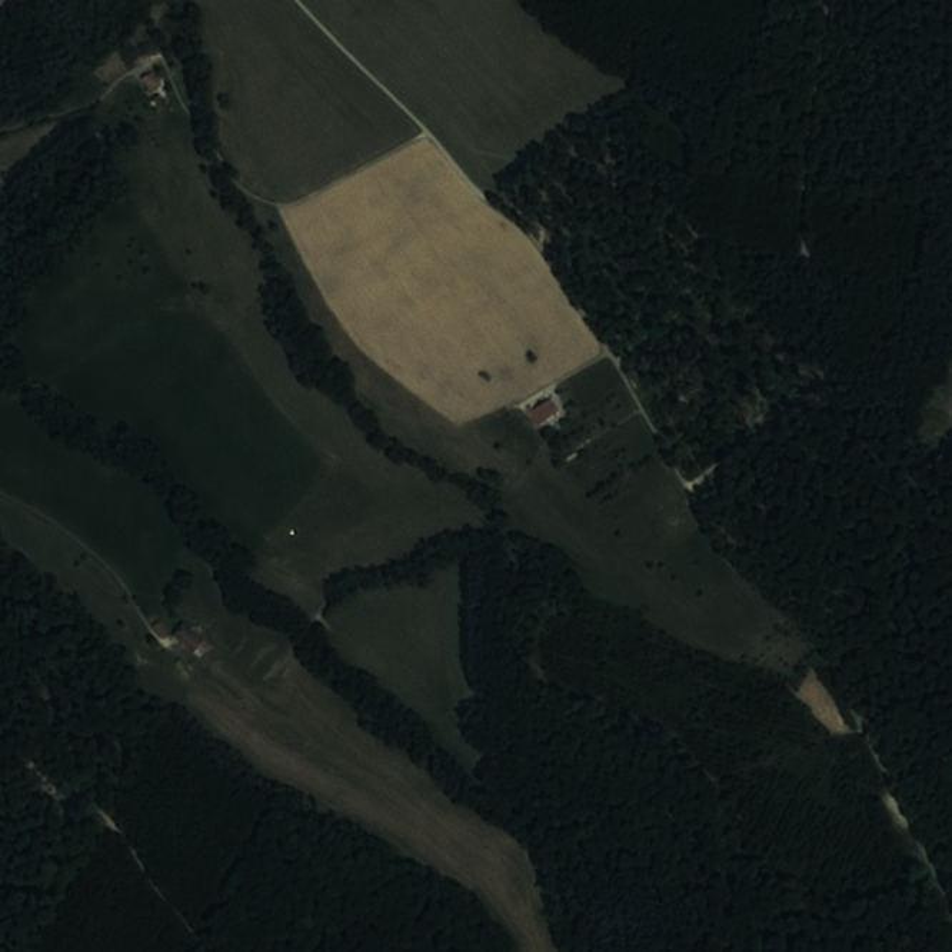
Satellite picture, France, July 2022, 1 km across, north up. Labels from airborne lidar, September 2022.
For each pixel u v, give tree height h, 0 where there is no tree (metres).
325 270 0
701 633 0
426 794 0
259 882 22
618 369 0
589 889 29
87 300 0
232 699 0
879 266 17
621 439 0
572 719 22
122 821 18
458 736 0
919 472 33
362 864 31
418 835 0
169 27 0
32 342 0
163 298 0
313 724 0
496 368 0
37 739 28
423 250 0
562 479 0
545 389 0
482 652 21
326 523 0
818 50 26
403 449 19
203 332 0
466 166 0
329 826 33
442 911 31
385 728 23
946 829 27
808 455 29
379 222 0
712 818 30
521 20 0
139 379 0
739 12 14
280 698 0
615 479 11
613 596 0
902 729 28
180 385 0
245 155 0
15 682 29
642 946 28
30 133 0
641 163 26
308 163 0
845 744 7
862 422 32
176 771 19
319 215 0
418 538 0
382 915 31
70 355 0
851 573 33
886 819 9
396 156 0
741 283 25
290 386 0
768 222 9
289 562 0
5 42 24
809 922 32
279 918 33
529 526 0
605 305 30
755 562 27
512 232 0
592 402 0
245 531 0
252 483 0
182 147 0
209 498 0
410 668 0
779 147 25
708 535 18
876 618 30
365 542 0
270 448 0
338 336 0
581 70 0
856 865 9
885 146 21
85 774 32
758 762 6
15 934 33
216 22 0
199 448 0
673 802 31
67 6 22
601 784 25
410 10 0
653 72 18
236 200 22
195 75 21
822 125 15
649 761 27
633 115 8
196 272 0
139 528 0
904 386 28
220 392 0
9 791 25
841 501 31
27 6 20
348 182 0
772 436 27
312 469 0
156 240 0
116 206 11
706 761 9
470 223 0
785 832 9
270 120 0
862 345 21
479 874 0
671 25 17
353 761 0
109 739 29
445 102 0
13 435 0
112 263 0
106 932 14
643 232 27
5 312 28
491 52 0
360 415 18
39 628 31
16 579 27
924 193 13
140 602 7
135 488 0
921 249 11
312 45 0
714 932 27
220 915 31
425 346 0
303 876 34
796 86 27
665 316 31
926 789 24
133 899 15
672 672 6
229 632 0
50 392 26
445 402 0
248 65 0
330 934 31
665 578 0
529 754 25
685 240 30
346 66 0
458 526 0
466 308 0
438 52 0
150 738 28
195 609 0
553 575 22
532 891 0
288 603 17
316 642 12
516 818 28
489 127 0
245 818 17
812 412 35
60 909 10
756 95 20
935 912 33
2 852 28
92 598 0
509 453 0
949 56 23
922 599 34
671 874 25
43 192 12
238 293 0
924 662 31
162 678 0
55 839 28
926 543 34
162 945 14
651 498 0
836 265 15
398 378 0
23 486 0
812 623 24
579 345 0
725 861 28
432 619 0
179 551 0
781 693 9
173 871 18
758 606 0
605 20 21
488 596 26
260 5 0
